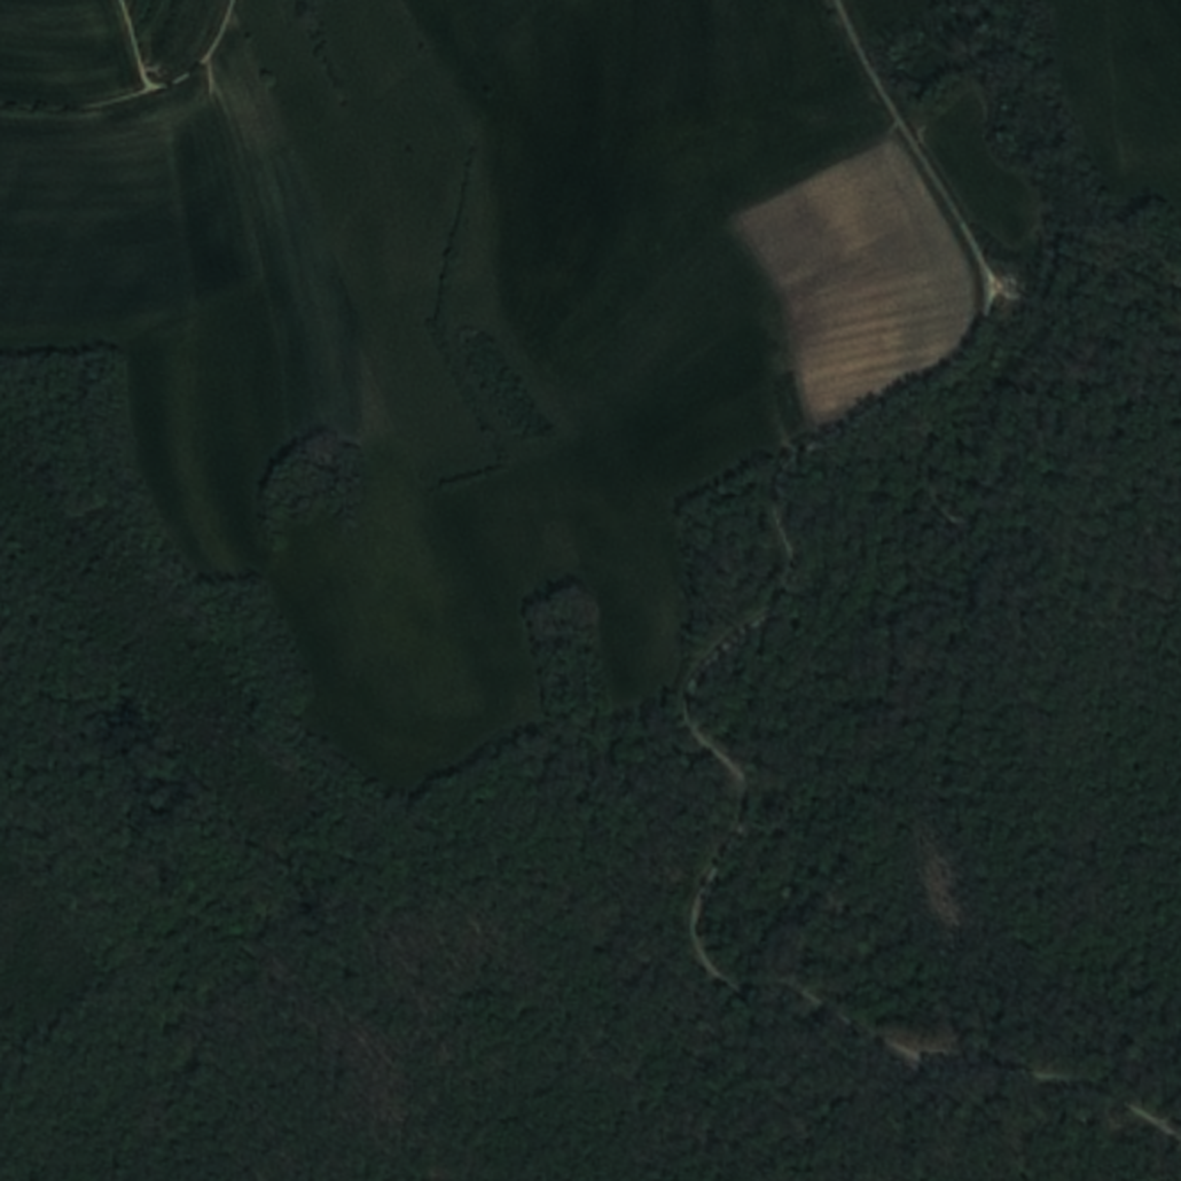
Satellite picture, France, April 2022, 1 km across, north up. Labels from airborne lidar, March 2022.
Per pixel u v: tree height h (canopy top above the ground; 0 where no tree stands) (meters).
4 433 11
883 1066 26
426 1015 24
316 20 12
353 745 0
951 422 24
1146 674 22
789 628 27
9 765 26
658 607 0
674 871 27
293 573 0
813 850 23
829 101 0
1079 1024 26
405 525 0
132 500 21
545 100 0
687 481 0
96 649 24
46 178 0
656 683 0
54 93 0
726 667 23
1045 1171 26
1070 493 26
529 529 0
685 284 0
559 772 24
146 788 23
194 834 23
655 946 28
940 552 30
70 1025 20
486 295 0
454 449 0
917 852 19
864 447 23
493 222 0
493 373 7
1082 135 10
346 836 23
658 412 0
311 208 0
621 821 21
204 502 0
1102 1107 25
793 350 0
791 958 27
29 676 21
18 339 0
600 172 0
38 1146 24
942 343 0
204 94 0
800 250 0
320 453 23
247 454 0
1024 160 11
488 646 0
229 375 0
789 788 24
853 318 0
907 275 0
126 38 0
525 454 0
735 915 26
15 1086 25
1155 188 0
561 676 23
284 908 26
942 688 24
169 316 0
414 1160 22
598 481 0
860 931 23
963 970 19
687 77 0
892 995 26
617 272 0
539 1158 21
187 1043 27
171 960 25
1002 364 14
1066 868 23
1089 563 20
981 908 16
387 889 25
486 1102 24
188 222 0
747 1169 24
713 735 22
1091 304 28
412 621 0
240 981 24
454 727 0
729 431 0
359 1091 21
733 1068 25
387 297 0
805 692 22
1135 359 27
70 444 21
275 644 17
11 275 0
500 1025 19
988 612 28
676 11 0
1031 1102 23
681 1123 22
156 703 12
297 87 0
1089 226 6
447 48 0
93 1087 24
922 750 21
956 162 0
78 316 0
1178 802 21
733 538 24
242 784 12
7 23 0
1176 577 24
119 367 16
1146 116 0
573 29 0
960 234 0
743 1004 19
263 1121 24
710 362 0
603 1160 20
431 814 20
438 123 0
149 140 0
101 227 0
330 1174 24
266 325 0
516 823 23
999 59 13
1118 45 0
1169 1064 24
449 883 25
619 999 22
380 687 0
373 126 0
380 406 0
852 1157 24
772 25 0
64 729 27
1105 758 24
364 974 24
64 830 27
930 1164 25
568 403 0
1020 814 21
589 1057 23
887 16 0
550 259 0
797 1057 29
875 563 22
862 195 0
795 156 0
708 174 0
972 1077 24
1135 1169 21
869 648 26
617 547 0
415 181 0
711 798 24
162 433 0
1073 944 23
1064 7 0
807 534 24
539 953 24
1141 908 22
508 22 0
